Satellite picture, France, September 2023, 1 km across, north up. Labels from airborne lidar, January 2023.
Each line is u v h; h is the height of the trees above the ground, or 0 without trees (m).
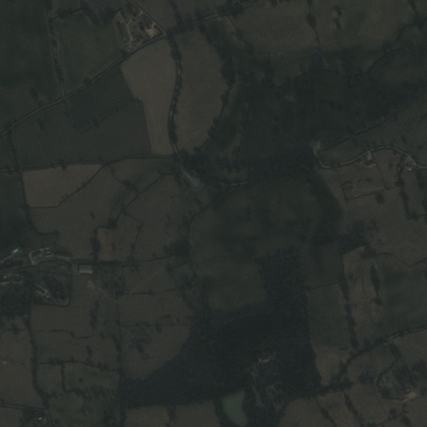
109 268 0
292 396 12
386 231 0
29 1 0
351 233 18
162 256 0
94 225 0
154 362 0
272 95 0
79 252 0
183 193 0
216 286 0
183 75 0
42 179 0
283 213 0
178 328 0
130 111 0
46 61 0
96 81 0
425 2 0
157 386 21
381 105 0
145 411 0
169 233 0
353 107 0
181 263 0
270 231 0
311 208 0
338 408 0
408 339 0
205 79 0
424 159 0
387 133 0
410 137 0
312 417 0
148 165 0
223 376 10
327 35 0
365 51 0
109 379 0
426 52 15
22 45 0
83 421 0
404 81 0
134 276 0
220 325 18
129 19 0
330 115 0
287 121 0
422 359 0
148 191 0
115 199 0
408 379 0
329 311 0
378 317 0
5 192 0
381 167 0
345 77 0
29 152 0
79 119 0
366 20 0
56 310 0
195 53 0
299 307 18
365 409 0
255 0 12
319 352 0
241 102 0
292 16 0
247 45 13
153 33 0
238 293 0
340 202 0
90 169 0
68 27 0
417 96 21
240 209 0
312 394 14
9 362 0
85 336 0
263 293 0
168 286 0
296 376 16
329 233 0
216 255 0
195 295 0
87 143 0
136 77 0
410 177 0
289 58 0
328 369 0
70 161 0
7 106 0
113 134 0
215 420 0
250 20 0
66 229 0
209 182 17
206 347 14
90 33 0
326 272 0
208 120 0
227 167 24
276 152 0
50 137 0
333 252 0
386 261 0
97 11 0
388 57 22
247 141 0
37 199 0
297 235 0
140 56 0
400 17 0
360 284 0
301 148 0
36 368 11
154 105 0
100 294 0
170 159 0
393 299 0
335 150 0
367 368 0
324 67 0
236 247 0
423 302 0
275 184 0
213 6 0
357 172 0
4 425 0
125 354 0
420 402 0
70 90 0
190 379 21
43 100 0
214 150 0
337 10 15
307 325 13
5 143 0
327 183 0
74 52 0
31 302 9
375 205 0
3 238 0
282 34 0
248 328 21
